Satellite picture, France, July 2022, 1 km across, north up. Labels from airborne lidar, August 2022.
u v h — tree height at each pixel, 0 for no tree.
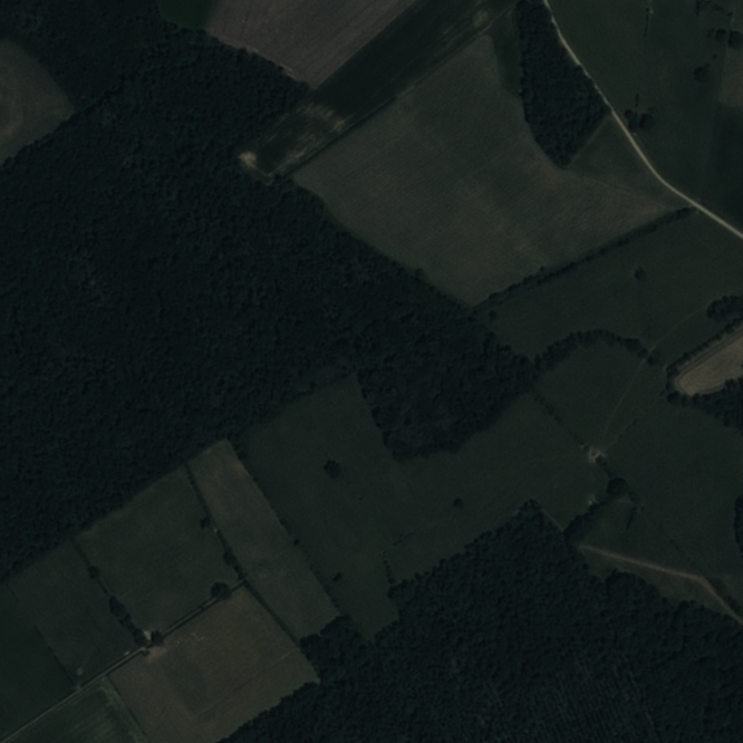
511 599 17
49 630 0
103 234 21
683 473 0
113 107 21
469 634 8
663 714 19
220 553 0
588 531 22
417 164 0
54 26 6
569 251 0
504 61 0
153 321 17
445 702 22
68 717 0
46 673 0
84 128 22
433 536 0
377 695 14
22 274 19
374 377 21
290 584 0
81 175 25
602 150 0
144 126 23
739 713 20
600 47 0
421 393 22
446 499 0
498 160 0
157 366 14
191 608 0
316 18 0
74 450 18
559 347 14
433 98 0
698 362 0
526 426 0
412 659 13
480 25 0
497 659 16
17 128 0
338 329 25
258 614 0
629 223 0
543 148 16
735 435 0
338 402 0
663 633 18
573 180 0
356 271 23
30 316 26
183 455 19
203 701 0
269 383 21
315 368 20
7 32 7
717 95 0
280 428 0
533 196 0
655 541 0
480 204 0
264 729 19
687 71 0
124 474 19
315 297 22
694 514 0
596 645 12
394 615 0
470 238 0
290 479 0
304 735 20
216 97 20
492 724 23
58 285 16
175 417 22
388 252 0
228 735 0
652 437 0
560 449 0
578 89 15
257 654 0
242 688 0
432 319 21
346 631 13
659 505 0
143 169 14
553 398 0
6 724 0
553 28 14
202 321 24
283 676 0
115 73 9
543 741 22
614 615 17
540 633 15
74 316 17
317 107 0
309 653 22
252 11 0
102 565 0
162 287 21
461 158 0
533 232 0
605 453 0
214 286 17
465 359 21
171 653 0
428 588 18
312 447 0
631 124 11
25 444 21
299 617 0
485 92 0
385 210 0
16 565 15
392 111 0
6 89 0
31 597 0
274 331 9
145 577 0
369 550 0
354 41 0
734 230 0
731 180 0
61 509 15
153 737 0
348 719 15
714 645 22
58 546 9
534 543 16
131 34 7
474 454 0
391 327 22
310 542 0
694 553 0
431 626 16
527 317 0
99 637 0
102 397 22
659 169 0
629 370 0
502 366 17
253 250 25
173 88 19
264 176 0
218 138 21
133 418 20
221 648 0
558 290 0
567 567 15
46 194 22
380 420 22
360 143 0
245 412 17
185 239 22
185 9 0
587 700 7
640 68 0
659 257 0
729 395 10
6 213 23
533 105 11
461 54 0
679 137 0
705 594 0
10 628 0
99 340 19
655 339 0
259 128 13
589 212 0
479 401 21
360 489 0
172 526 0
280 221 24
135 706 0
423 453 19
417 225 0
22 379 19
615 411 0
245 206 18
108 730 0
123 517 0
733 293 0
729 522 0
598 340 13
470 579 14
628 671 21
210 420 14
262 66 18
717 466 0
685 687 19
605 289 0
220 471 0
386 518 0
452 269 0
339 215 0
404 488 0
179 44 20
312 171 0
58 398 17
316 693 19
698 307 0
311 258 25
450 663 11
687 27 0
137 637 12
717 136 0
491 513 0
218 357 22
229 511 0
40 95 0
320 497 0
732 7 0
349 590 0
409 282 19
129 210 18
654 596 18
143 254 21
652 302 0
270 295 24
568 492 0
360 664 25
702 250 0
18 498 21
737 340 0
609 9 0
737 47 18
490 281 0
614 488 18
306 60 0
